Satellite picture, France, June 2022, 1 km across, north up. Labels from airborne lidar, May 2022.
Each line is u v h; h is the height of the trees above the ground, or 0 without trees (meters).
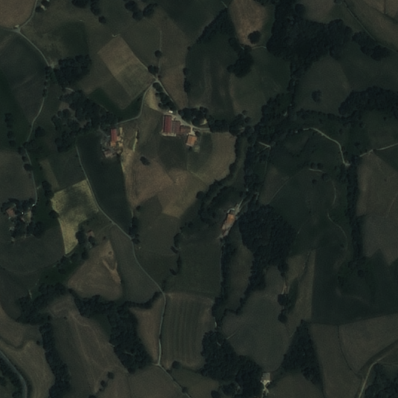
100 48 0
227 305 0
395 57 0
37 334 0
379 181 0
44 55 0
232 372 19
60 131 10
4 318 0
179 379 0
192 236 0
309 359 10
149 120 0
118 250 0
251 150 16
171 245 0
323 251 0
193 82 0
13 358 0
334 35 26
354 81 0
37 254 0
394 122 0
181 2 0
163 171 0
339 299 0
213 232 0
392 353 0
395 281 0
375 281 0
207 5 0
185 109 12
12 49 0
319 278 0
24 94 0
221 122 8
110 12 0
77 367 0
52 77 16
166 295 0
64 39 0
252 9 0
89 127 20
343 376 0
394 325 0
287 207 0
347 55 0
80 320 0
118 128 0
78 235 17
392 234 0
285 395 0
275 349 0
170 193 0
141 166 0
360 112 11
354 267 11
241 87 0
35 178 0
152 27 0
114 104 0
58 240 0
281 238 19
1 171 0
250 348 0
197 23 0
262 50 0
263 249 22
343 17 0
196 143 0
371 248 0
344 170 7
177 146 0
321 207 0
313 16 0
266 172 0
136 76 0
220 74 0
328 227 0
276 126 20
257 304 0
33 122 0
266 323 0
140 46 0
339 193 0
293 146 0
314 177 0
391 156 0
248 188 7
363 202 0
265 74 0
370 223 0
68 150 15
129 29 0
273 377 0
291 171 0
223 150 0
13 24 0
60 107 0
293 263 0
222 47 0
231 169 12
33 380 0
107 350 0
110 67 0
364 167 0
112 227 0
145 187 0
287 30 24
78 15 0
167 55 0
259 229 28
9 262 0
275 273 0
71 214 0
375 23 0
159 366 0
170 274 0
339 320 0
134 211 0
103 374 0
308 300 0
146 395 0
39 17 0
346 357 0
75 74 26
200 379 0
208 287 0
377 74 0
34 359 0
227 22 17
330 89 0
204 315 0
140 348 20
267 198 0
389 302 0
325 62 0
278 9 20
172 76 0
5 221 0
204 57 0
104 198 0
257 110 0
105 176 0
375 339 0
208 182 0
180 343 0
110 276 0
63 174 0
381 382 14
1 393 0
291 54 21
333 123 0
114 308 18
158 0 0
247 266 0
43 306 20
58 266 10
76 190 0
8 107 0
